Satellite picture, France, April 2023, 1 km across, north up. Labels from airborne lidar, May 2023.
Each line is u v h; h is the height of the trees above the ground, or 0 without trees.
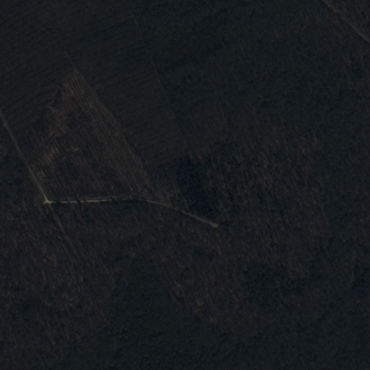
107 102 14
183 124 25
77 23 18
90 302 28
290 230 14
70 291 26
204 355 24
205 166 20
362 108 13
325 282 24
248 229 18
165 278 24
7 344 28
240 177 20
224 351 26
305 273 23
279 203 25
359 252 28
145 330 27
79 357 30
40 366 26
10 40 14
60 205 17
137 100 15
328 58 25
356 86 22
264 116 27
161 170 12
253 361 26
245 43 31
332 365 22
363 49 21
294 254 20
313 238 22
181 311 29
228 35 26
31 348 27
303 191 22
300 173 16
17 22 16
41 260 24
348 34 24
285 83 21
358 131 25
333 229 15
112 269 26
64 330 24
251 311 19
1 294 26
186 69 27
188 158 12
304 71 24
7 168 24
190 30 18
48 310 26
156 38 18
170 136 15
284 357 18
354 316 28
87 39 16
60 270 25
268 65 26
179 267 22
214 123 25
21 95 14
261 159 21
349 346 22
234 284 23
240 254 19
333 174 22
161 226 21
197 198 22
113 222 10
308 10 24
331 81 22
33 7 16
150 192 21
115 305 27
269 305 23
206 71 23
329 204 21
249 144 25
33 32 17
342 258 25
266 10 24
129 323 27
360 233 24
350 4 16
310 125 23
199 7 24
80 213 15
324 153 7
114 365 9
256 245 21
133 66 18
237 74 24
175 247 25
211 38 14
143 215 21
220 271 18
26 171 6
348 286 21
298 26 27
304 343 26
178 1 30
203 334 25
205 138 25
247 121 27
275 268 20
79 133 8
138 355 23
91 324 28
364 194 20
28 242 18
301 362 27
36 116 11
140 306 26
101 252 15
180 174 22
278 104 25
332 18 25
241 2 20
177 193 5
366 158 26
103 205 20
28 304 15
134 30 17
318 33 26
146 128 15
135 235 11
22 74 17
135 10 22
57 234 21
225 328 30
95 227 27
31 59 16
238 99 25
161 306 29
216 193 15
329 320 23
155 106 16
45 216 19
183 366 27
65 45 15
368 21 25
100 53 15
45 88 16
